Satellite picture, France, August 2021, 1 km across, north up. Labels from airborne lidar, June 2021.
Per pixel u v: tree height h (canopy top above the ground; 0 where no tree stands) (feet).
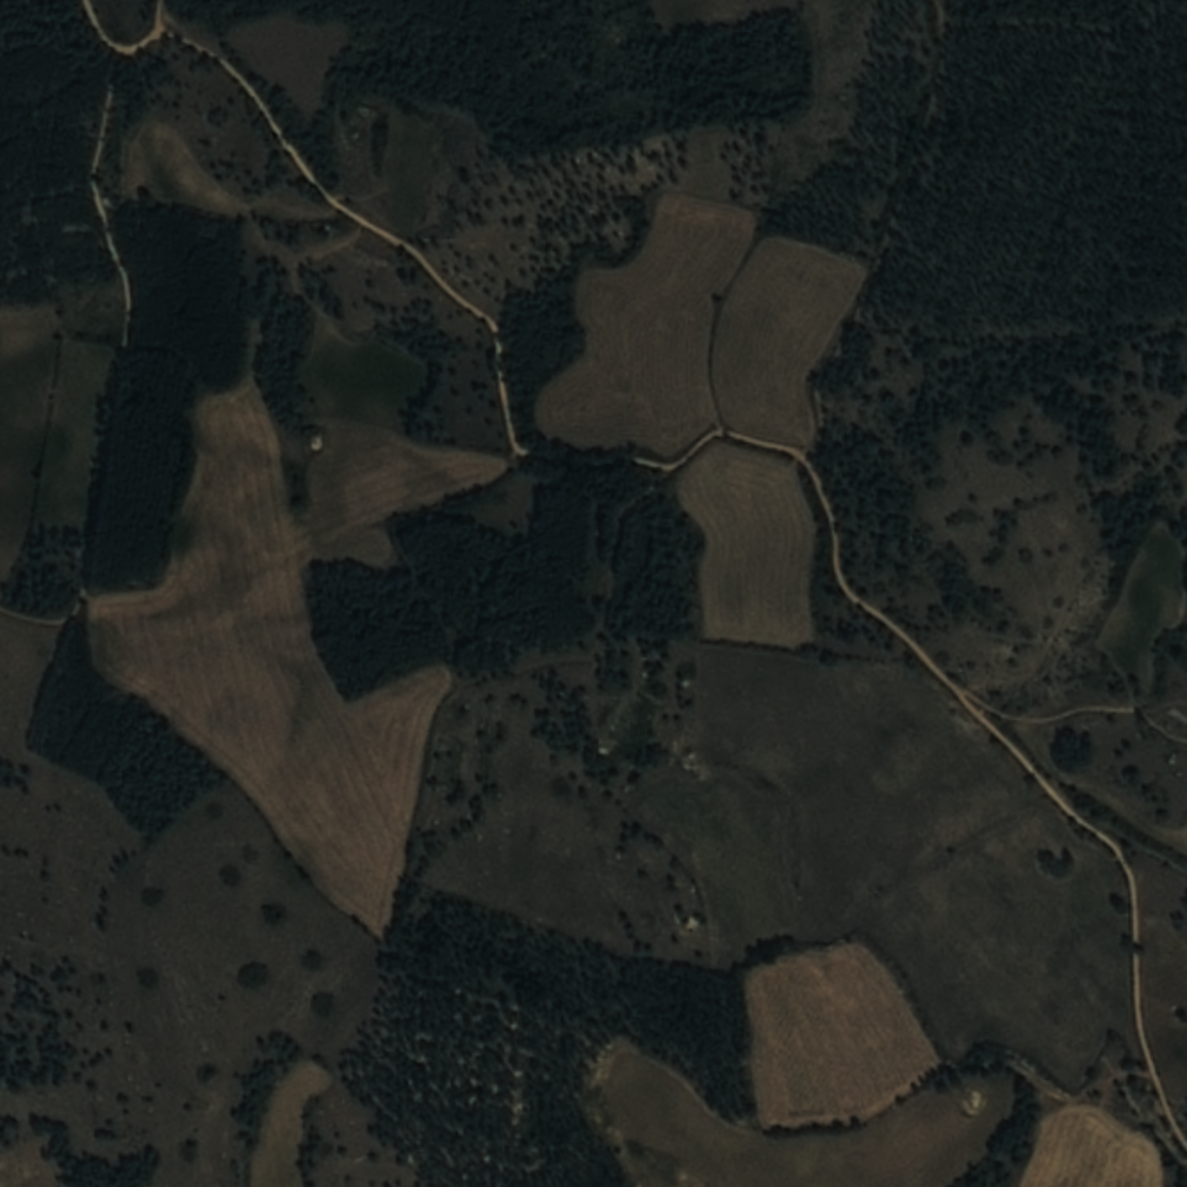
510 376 37
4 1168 0
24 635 0
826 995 0
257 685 0
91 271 32
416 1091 27
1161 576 0
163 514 57
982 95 37
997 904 0
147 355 65
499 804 0
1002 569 0
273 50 0
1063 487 0
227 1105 0
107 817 0
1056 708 0
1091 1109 0
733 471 0
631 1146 0
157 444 53
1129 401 28
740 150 39
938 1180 0
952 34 48
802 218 38
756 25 33
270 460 0
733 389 0
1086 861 0
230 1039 0
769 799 0
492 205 26
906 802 0
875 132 45
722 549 0
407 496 0
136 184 0
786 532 0
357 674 36
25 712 0
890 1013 0
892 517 24
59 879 0
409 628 26
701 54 53
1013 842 0
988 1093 0
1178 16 44
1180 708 0
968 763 0
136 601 0
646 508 24
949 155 48
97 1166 40
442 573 41
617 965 35
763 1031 0
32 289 31
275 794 0
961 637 0
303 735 0
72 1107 0
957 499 0
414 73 57
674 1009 44
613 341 0
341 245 0
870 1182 0
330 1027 0
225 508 0
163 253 33
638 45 33
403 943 45
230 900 0
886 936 0
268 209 0
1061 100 39
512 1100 45
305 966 0
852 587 31
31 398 0
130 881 0
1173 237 48
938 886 0
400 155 0
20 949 0
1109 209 37
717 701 0
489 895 0
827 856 0
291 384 50
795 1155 0
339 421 0
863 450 37
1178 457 29
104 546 63
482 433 0
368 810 0
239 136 0
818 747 0
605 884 0
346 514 0
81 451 0
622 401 0
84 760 36
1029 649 0
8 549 0
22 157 34
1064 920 0
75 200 29
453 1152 32
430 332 34
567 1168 46
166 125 0
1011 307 42
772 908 0
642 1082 0
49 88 30
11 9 37
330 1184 0
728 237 0
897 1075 0
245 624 0
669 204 0
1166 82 42
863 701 0
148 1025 0
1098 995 0
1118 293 34
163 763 41
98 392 0
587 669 0
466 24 37
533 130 42
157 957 0
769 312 0
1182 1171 21
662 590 48
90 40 28
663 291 0
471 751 0
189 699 0
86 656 35
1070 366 25
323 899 0
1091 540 0
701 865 0
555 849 0
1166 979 0
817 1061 0
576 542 46
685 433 0
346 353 0
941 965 0
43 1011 27
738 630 0
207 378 38
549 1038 50
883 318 36
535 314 37
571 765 0
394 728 0
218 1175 0
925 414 34
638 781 37
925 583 0
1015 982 0
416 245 28
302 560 0
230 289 41
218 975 0
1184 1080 0
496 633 45
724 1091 44
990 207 45
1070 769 47
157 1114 0
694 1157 0
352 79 46
